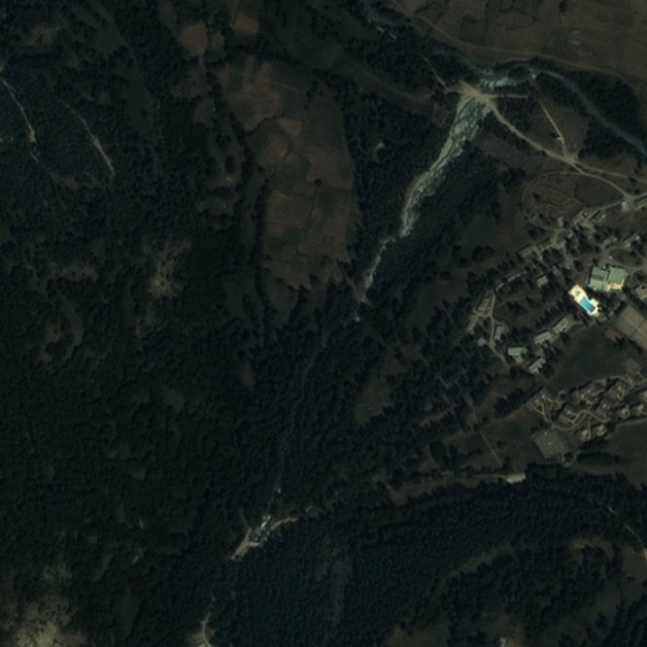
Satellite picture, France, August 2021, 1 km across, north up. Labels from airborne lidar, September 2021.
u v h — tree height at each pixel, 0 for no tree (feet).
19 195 59
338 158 0
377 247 50
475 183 30
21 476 68
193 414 53
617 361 0
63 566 17
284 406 69
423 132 68
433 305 0
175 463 55
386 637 58
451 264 0
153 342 57
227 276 87
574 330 0
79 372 42
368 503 42
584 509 83
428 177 0
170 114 45
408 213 0
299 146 0
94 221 39
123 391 53
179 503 62
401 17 30
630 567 0
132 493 45
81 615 43
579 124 0
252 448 80
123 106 26
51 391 63
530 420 0
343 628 51
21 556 52
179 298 29
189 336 21
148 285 38
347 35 0
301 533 44
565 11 27
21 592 50
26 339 34
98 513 51
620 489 81
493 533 63
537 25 0
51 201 73
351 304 34
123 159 82
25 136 76
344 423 74
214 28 20
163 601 43
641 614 60
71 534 51
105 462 82
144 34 36
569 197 0
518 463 0
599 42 0
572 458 41
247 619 55
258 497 95
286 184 0
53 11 70
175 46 42
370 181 86
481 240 0
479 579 48
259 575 72
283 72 0
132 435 52
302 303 38
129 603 0
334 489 23
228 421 55
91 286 40
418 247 27
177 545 55
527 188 0
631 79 0
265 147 0
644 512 31
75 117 73
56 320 36
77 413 87
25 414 57
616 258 0
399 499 0
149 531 29
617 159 0
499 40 0
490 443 0
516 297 0
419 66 48
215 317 39
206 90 0
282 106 0
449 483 0
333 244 0
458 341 0
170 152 25
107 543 82
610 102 39
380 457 82
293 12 0
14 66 80
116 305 36
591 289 21
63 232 80
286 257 0
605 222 0
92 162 29
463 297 0
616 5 0
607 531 57
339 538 72
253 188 0
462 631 43
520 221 0
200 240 47
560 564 52
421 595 42
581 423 0
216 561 59
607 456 36
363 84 0
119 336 33
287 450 56
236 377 51
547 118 0
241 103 0
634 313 0
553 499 74
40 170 79
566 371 0
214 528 94
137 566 52
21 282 52
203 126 37
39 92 62
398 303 63
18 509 40
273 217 0
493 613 0
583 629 0
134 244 57
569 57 0
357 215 0
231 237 60
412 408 60
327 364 74
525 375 51
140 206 77
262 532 21
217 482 49
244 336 23
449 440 0
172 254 31
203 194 47
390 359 0
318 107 0
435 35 0
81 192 24
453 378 62
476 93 0
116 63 63
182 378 74
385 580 57
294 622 50
